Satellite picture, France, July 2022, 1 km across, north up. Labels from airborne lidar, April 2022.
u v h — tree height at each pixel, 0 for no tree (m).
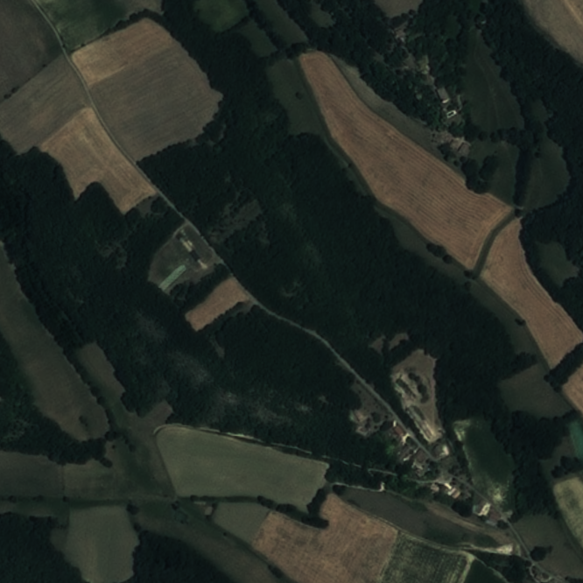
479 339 20
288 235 10
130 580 8
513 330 0
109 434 12
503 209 0
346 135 0
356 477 11
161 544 16
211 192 14
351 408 11
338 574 0
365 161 0
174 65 0
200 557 11
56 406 0
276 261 13
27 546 19
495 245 0
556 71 18
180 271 0
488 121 0
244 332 15
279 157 18
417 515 0
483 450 0
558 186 0
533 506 17
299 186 14
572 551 0
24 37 0
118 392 0
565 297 18
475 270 0
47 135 0
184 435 0
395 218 0
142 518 0
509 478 0
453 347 20
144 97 0
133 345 6
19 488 0
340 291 8
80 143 0
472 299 22
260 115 8
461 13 16
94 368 0
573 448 0
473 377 20
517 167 0
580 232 16
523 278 0
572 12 0
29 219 18
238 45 21
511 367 18
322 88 0
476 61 0
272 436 15
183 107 0
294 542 0
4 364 19
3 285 0
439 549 0
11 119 0
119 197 0
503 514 0
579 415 23
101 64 0
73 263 10
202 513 0
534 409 0
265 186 12
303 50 12
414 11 9
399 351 18
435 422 0
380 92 16
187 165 16
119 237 10
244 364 9
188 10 18
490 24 21
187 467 0
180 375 9
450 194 0
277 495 0
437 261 0
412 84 8
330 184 19
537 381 0
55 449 9
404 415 12
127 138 0
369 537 0
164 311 13
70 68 0
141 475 0
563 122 15
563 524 0
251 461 0
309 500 0
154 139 0
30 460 0
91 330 20
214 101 0
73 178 0
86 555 0
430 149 0
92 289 11
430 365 0
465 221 0
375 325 15
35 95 0
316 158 18
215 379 6
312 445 8
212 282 9
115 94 0
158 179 12
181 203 13
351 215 23
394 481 8
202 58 14
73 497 0
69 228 9
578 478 0
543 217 26
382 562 0
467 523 0
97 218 6
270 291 8
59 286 11
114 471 0
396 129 0
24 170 21
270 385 7
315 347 14
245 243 10
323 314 12
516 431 22
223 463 0
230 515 0
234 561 0
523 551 0
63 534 0
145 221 7
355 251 16
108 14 0
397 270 20
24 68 0
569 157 21
